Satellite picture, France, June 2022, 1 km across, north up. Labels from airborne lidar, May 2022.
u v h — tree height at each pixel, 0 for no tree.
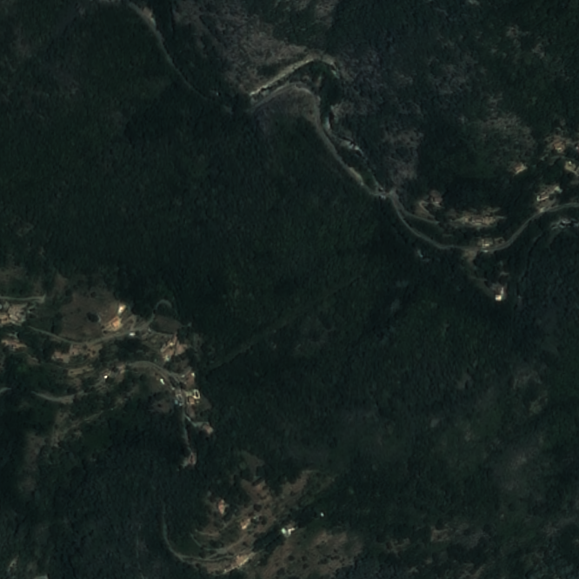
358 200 12
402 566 20
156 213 11
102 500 15
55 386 7
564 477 12
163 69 12
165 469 10
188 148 12
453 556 12
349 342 7
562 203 10
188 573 14
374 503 13
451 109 8
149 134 16
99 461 13
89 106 13
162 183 14
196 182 9
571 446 7
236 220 12
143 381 13
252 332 13
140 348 13
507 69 11
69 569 9
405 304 23
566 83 15
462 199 24
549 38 15
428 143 10
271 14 10
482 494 11
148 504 9
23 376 19
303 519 15
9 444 26
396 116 11
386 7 18
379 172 13
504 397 6
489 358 16
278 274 14
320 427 6
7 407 24
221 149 12
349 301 15
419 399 8
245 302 20
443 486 10
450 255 14
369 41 11
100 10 8
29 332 10
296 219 11
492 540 14
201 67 9
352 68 7
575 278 15
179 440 10
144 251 11
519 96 17
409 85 6
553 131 12
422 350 14
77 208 10
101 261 14
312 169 9
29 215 10
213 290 23
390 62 6
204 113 17
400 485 12
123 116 8
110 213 11
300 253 11
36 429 16
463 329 15
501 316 21
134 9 7
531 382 6
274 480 7
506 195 13
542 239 14
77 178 13
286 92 0
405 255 18
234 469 15
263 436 10
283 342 9
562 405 16
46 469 7
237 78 6
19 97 9
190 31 13
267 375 17
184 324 11
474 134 9
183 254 12
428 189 7
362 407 10
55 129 12
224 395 14
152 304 13
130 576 10
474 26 7
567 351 10
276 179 7
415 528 13
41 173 22
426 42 8
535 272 8
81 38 7
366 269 13
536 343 8
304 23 12
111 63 14
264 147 9
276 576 7
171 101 12
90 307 0
